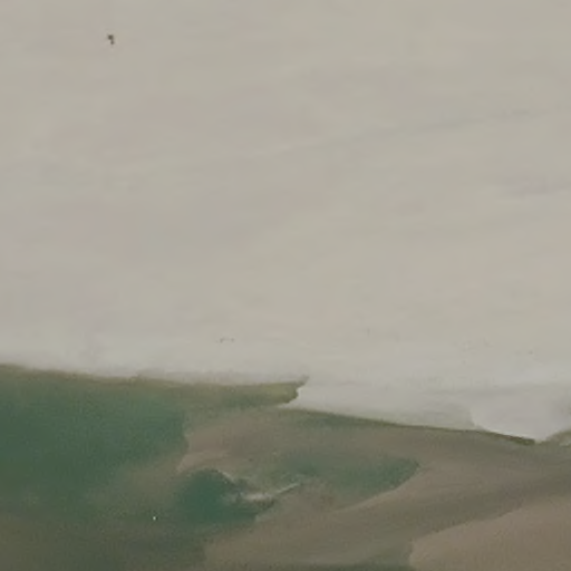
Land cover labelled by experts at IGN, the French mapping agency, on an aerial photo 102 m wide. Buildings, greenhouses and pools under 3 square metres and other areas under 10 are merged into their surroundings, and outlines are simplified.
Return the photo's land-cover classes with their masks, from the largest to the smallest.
<instances>
[{"label":"bare soil","instance_id":"1","mask_svg":"<svg viewBox=\"0 0 571 571\"><path fill-rule=\"evenodd\" d=\"M0 364L25 366L31 370L83 372L96 377H149L183 384L201 381L223 386L277 384L303 377L306 386L299 388L297 404L308 410H323L335 415H350L408 426L488 430L500 435L529 437L538 442L571 428V0H0Z\"/></svg>","mask_w":571,"mask_h":571},{"label":"water","instance_id":"2","mask_svg":"<svg viewBox=\"0 0 571 571\"><path fill-rule=\"evenodd\" d=\"M306 386L303 377L277 384L223 386L201 381L183 384L149 377H96L83 372L31 370L25 366L0 364V571H571V428L538 442L529 437L500 435L488 430L408 426L350 415H335L323 410H308L297 404L299 388Z\"/></svg>","mask_w":571,"mask_h":571}]
</instances>
